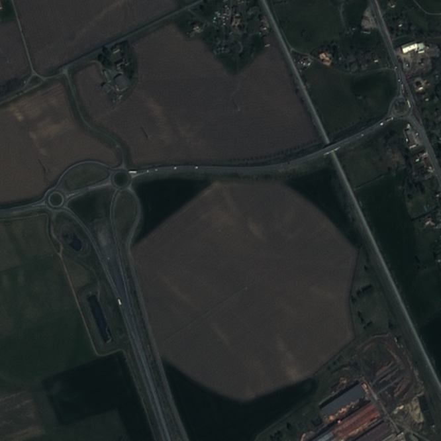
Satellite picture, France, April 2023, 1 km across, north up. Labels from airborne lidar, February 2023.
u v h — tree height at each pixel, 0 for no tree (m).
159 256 0
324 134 0
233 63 0
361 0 0
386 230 0
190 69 0
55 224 0
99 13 0
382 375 0
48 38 0
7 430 0
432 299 0
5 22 0
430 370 0
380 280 0
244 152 0
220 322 0
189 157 0
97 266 0
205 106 0
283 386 0
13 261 0
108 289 0
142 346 0
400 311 0
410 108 0
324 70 0
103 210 0
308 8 0
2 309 0
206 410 0
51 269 0
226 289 0
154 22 0
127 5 0
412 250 0
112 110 0
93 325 0
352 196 0
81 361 0
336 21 0
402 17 6
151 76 0
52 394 0
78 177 0
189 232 0
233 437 0
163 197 0
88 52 0
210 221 0
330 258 0
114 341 0
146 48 0
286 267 0
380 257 0
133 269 0
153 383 0
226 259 0
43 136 0
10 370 0
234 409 0
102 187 0
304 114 0
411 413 0
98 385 0
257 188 0
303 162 0
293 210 0
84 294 0
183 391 0
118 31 0
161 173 0
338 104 0
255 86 0
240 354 0
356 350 0
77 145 0
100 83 0
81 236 0
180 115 0
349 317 0
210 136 0
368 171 0
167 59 0
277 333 0
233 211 0
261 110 0
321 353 0
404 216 0
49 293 0
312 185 0
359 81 0
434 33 18
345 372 0
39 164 0
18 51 0
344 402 0
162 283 0
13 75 0
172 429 0
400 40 0
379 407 0
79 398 0
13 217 0
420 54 0
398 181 0
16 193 0
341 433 0
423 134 0
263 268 0
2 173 0
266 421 0
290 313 0
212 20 0
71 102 0
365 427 0
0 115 0
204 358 0
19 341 0
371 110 0
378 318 0
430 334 0
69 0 0
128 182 0
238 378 0
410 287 0
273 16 0
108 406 0
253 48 11
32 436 0
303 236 0
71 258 0
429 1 0
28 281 0
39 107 0
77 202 0
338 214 0
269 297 0
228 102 0
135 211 0
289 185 0
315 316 0
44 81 0
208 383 0
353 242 0
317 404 0
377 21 0
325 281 0
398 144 7
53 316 0
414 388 0
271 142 0
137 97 0
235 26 7
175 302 0
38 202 0
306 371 0
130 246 0
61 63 0
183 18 0
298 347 0
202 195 0
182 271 0
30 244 0
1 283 0
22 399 0
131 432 0
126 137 0
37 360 0
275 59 0
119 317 0
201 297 0
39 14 0
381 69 0
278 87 0
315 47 0
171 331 0
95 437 0
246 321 0
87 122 0
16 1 0
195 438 0
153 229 0
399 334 0
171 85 0
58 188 0
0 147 0
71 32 0
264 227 0
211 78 0
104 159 0
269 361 0
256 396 0
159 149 0
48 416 0
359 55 14
